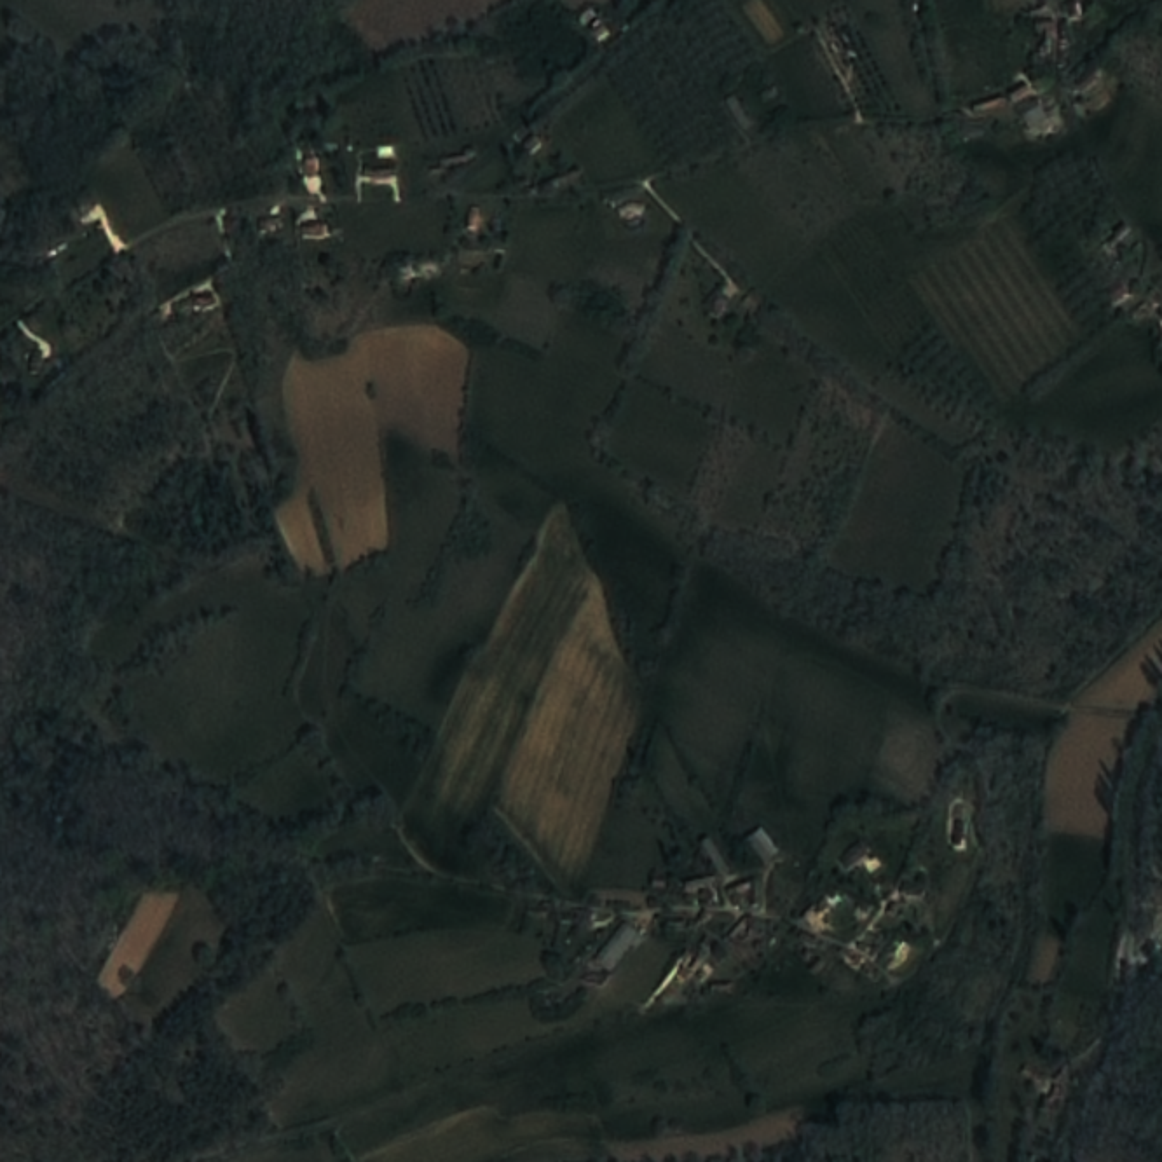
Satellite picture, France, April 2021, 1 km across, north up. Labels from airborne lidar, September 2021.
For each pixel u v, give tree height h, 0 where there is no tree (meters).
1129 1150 14
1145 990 17
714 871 8
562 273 0
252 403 12
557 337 0
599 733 0
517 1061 0
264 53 24
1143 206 0
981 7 0
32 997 14
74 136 18
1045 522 14
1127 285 11
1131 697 0
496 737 0
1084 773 0
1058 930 0
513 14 5
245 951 19
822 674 0
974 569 15
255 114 22
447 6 0
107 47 20
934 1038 14
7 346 12
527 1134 0
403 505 0
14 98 10
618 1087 0
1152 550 20
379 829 14
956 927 6
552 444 0
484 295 0
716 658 0
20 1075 21
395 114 0
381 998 0
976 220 19
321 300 19
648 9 11
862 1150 17
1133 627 19
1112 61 13
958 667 9
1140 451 18
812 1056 0
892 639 19
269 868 16
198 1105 20
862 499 0
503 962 0
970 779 13
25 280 19
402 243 0
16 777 16
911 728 0
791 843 0
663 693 0
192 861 19
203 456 17
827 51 7
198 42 7
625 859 0
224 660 0
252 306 17
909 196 10
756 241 0
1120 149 0
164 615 0
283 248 15
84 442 21
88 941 18
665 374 0
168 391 14
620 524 0
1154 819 11
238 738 0
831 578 11
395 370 0
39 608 19
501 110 7
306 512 0
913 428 13
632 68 11
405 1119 0
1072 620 21
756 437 13
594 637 0
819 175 0
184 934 0
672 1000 0
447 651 0
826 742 0
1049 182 10
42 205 10
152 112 20
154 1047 20
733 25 6
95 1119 22
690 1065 0
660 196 0
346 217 0
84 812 17
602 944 10
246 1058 12
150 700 0
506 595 0
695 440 0
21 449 18
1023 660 13
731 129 9
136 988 19
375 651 0
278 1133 10
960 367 12
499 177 0
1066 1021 0
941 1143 12
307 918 19
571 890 0
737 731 0
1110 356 0
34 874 14
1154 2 7
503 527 0
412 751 9
